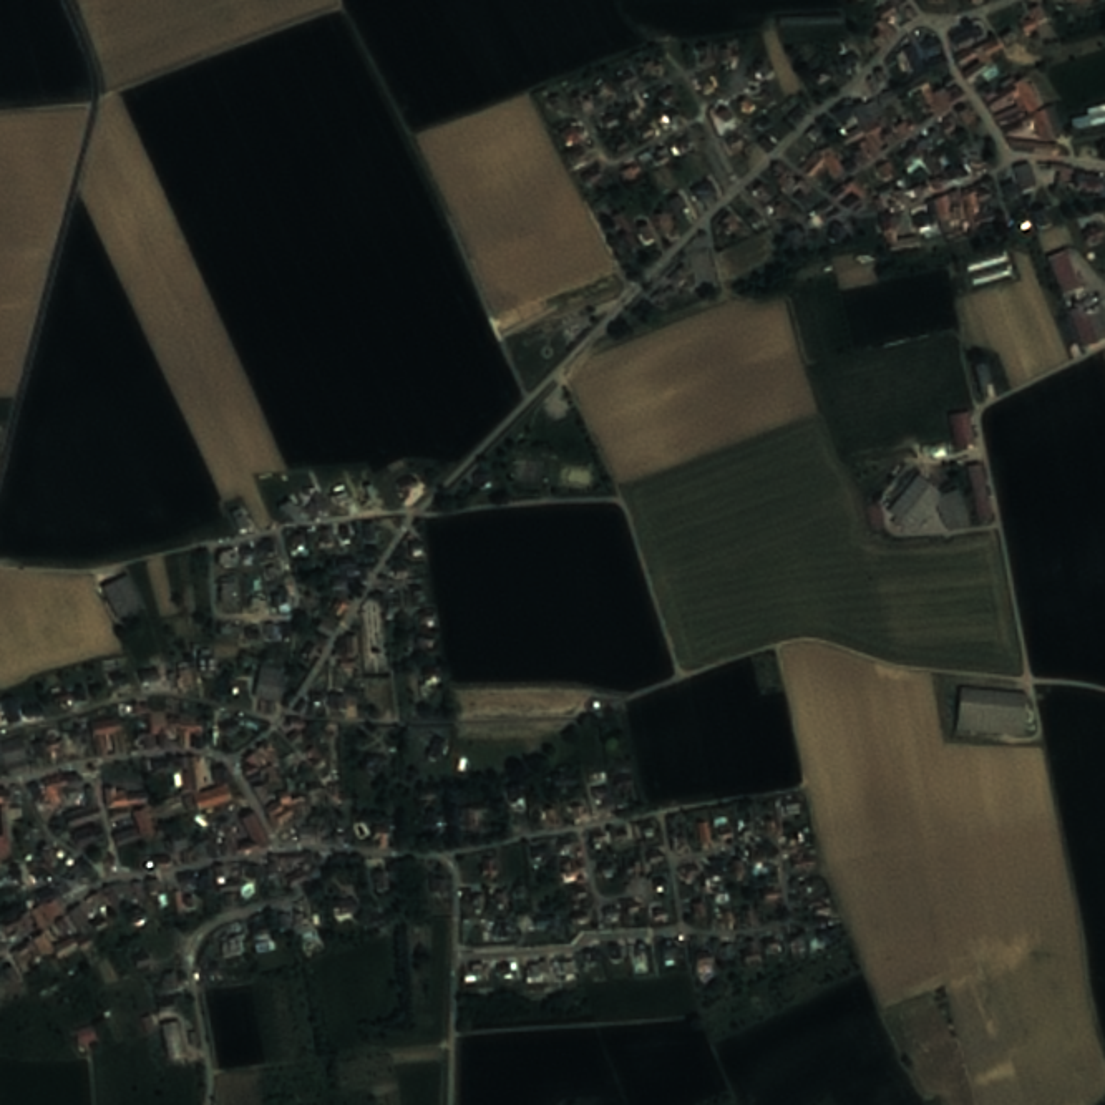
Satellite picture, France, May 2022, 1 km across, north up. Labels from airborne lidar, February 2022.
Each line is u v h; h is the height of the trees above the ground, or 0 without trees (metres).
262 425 0
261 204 0
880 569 0
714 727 0
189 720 0
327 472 0
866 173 0
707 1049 0
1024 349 0
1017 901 0
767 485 0
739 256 0
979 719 0
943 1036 0
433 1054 0
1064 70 0
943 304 0
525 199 0
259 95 0
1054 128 0
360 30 0
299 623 13
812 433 0
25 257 0
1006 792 0
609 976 0
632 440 0
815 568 0
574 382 0
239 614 0
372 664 0
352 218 0
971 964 0
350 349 0
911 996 0
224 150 0
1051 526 0
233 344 0
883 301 0
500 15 0
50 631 0
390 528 0
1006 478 0
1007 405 0
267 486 0
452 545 0
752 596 0
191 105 0
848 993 0
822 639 0
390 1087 0
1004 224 11
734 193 0
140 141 0
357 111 0
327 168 0
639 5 0
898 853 0
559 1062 0
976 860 0
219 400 0
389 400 0
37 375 0
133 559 0
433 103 0
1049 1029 0
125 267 0
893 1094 0
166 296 0
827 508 0
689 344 0
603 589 0
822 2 0
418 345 0
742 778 0
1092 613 0
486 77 0
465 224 0
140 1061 0
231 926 0
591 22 0
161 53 0
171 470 0
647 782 0
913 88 0
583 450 0
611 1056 0
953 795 0
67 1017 0
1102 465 0
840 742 0
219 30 0
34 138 0
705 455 0
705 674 0
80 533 0
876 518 0
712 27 0
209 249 0
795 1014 0
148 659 0
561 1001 11
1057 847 0
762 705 0
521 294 0
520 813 0
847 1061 0
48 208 0
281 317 0
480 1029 0
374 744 0
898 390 0
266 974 8
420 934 0
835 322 0
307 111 0
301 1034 0
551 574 0
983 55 0
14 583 0
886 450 0
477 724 0
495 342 0
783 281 12
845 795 0
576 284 0
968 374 0
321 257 0
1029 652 0
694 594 0
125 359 0
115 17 0
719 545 0
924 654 0
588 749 0
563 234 0
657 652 0
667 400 0
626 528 0
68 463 0
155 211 0
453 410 0
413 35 0
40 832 0
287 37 0
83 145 0
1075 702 0
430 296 0
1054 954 0
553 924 0
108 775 0
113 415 0
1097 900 0
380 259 0
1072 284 0
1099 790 0
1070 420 0
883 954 0
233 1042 0
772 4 0
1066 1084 0
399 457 0
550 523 0
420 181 0
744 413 0
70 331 0
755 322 0
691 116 0
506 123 0
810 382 0
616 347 0
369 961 0
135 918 0
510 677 0
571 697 0
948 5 0
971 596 0
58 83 0
